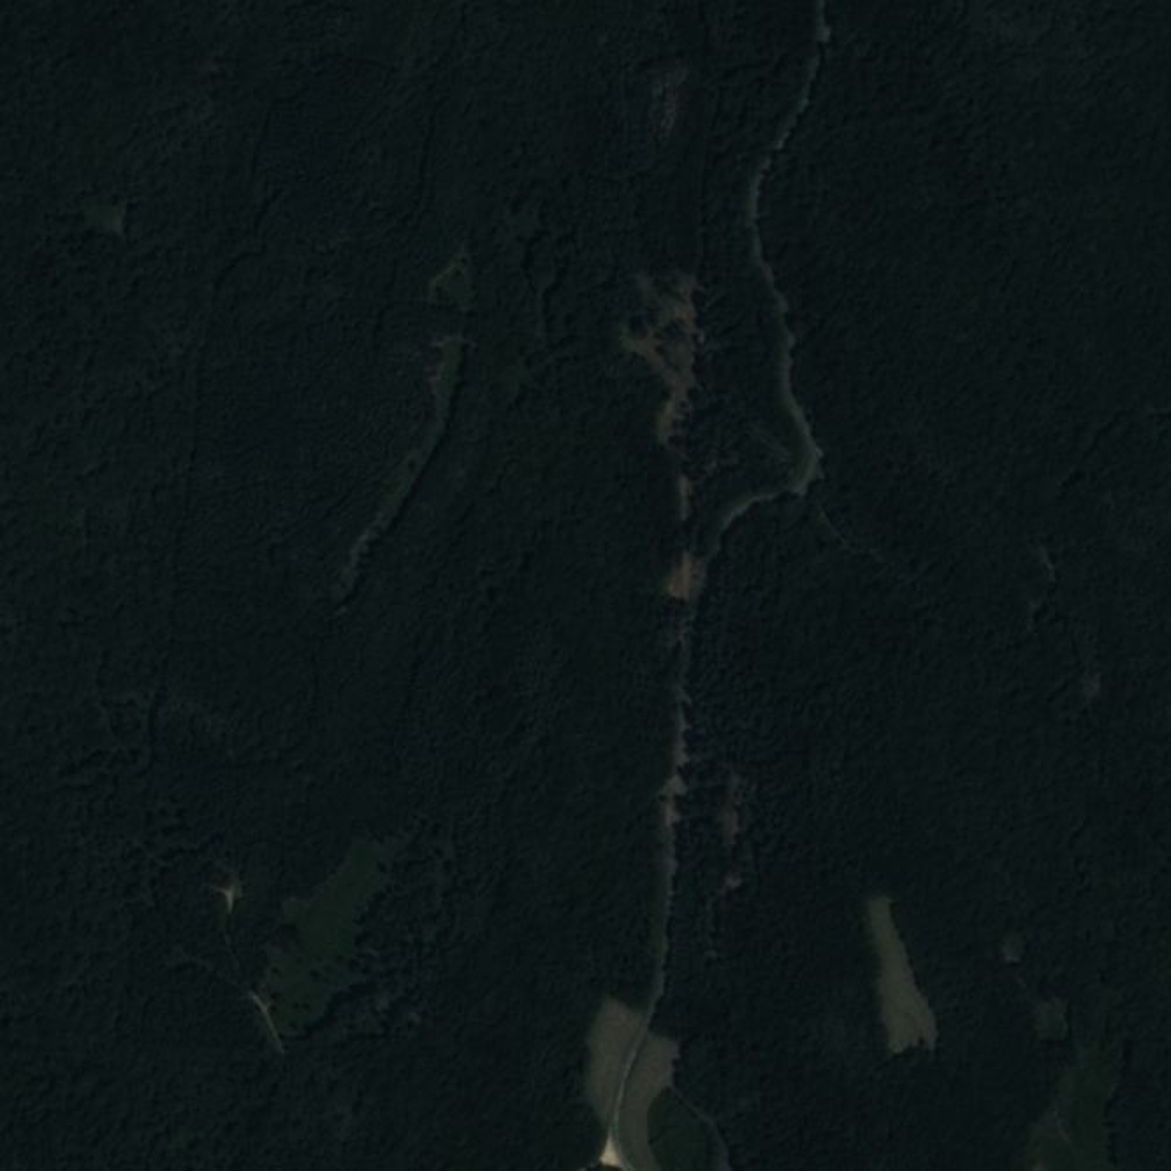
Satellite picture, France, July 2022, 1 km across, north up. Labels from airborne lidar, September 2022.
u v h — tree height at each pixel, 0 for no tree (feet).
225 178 30
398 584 66
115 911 55
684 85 66
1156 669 33
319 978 60
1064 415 56
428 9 17
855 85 49
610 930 33
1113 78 41
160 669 47
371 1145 47
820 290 66
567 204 75
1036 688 59
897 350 44
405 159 33
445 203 57
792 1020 47
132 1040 28
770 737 58
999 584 50
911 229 48
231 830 42
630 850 39
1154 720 46
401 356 57
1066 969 41
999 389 62
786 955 36
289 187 63
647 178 73
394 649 20
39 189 55
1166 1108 42
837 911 45
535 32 47
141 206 68
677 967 37
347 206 62
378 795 24
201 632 65
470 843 46
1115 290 44
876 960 46
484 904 56
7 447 49
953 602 74
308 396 64
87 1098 33
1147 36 63
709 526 34
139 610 52
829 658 52
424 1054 47
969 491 48
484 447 39
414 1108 42
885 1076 26
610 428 52
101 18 60
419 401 59
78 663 59
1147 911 61
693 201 63
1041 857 51
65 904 65
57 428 34
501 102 49
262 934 47
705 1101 41
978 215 70
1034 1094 55
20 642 49
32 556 46
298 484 62
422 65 40
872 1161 31
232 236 57
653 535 40
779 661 54
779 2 58
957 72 29
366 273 29
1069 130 48
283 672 24
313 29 41
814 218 46
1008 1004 50
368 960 56
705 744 90
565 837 32
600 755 38
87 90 59
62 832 58
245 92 18
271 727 22
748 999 41
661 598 46
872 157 51
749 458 41
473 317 62
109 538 48
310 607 21
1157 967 60
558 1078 50
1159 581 36
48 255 61
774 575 57
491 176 76
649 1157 0
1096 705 77
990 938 49
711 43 72
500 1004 54
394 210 34
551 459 52
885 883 41
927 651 47
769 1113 48
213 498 61
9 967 47
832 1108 54
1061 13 39
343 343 65
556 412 64
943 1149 51
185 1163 39
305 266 22
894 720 62
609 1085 0
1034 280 61
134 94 53
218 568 43
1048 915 44
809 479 0
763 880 53
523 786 47
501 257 79
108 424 52
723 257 61
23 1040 68
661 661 62
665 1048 0
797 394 39
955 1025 45
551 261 81
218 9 34
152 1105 47
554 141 74
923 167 71
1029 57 43
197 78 43
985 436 60
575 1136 47
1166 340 49
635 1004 51
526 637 44
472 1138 50
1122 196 57
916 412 29
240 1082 54
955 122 50
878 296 41
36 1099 47
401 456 54
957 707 49
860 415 43
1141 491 40
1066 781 53
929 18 47
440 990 55
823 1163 42
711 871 54
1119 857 56
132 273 57
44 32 63
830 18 37
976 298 60
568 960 44
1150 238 46
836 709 36
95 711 57
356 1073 46
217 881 25
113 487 44
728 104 50
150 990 24
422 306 55
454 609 63
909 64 51
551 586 45
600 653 55
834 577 65
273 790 29
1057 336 50
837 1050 18
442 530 30
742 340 81
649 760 49
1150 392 56
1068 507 62
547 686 66
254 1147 48
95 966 62
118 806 50
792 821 58
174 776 66
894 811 51
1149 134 32
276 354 43
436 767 82
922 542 53
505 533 49
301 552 60
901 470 44
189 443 57
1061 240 35
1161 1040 52
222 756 55
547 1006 48
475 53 45
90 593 56
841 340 41
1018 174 56
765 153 44
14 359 56
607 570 50
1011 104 57
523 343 55
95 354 46
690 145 51
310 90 65
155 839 36
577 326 70
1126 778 55
